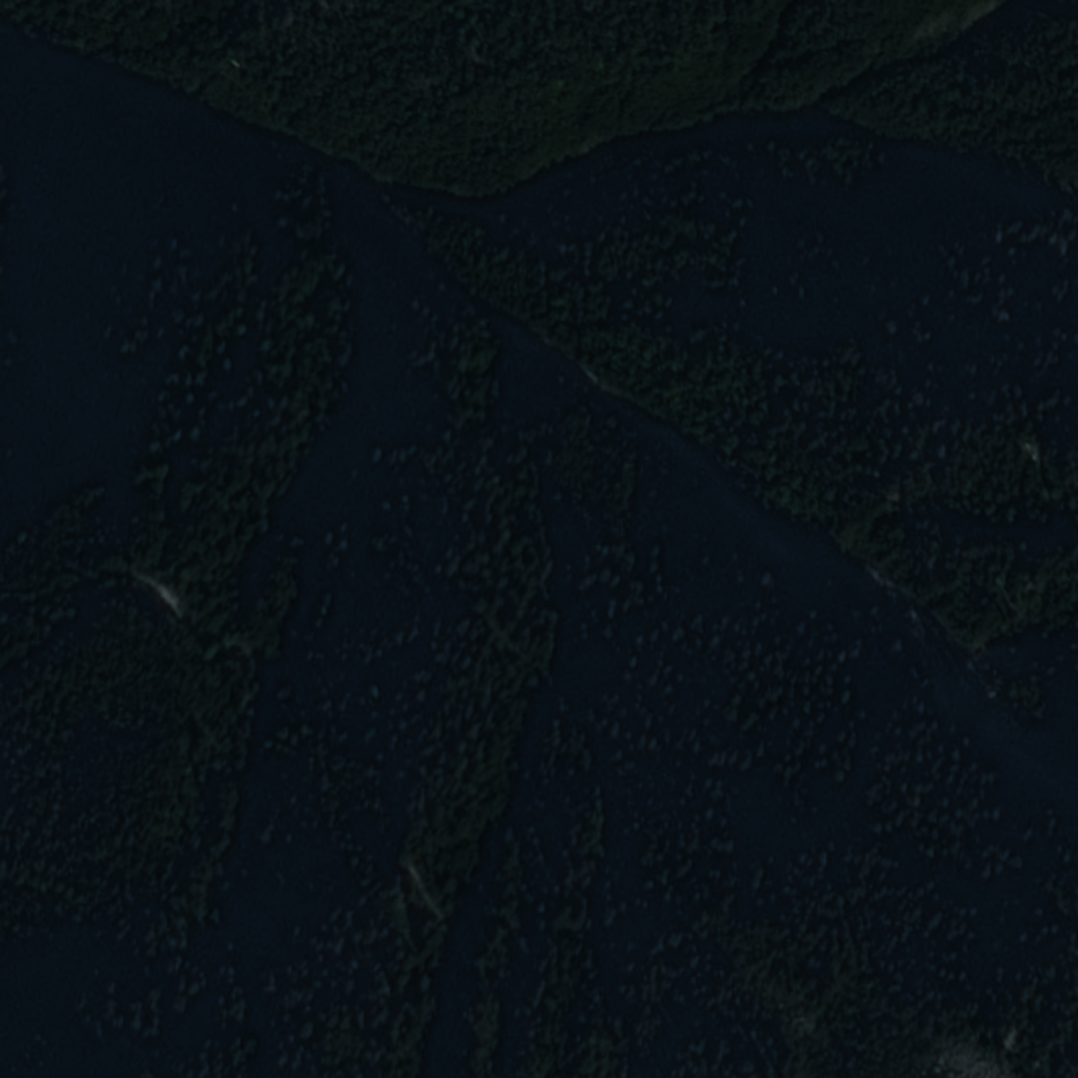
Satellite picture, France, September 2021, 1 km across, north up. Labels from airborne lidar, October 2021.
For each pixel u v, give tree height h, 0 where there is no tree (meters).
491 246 14
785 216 13
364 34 18
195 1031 8
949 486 33
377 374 28
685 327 12
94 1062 14
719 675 11
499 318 10
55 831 16
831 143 11
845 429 21
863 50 11
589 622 14
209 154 15
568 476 11
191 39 32
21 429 10
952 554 17
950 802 27
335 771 17
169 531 8
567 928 7
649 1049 11
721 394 18
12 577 19
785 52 19
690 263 24
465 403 16
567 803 19
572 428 11
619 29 19
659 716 14
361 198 5
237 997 21
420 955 23
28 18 17
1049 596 12
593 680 7
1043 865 8
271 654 7
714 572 12
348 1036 7
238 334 26
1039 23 6
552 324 20
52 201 33
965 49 13
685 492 12
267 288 22
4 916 15
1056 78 15
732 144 12
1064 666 13
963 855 7
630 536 8
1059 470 17
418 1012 32
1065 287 7
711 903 13
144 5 26
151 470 19
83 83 30
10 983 13
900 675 9
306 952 35
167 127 22
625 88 23
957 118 13
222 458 24
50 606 17
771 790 7
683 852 22
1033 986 11
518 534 8
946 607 21
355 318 28
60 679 18
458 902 8
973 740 7
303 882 16
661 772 8
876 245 7
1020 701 14
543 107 13
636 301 26
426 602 10
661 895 9
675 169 13
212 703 12
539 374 8
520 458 19
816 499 19
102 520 18
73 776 18
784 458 21
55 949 10
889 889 10
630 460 11
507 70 19
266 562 10
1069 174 7
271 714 14
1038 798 9
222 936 6
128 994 8
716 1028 6
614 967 22
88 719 14
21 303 19
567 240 18
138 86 14
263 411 26
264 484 26
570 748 25
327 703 11
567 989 8
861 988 9
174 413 13
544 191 9
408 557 15
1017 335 23
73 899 12
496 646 21
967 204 10
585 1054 7
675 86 11
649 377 10
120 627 16
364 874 10
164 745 18
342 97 20
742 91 6
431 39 23
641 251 22
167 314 9
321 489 13
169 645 16
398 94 12
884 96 11
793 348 11
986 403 33
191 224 28
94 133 22
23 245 13
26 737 26
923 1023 29
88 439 12
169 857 11
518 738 17
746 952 10
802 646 15
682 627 10
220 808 22
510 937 8
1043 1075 9
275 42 15
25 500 18
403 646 29
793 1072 28
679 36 20
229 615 10
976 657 0
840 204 11
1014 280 19
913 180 9
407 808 28
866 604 14
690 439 6
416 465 28
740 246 9
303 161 13
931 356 17
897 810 8
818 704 22
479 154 13
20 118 21
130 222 25
